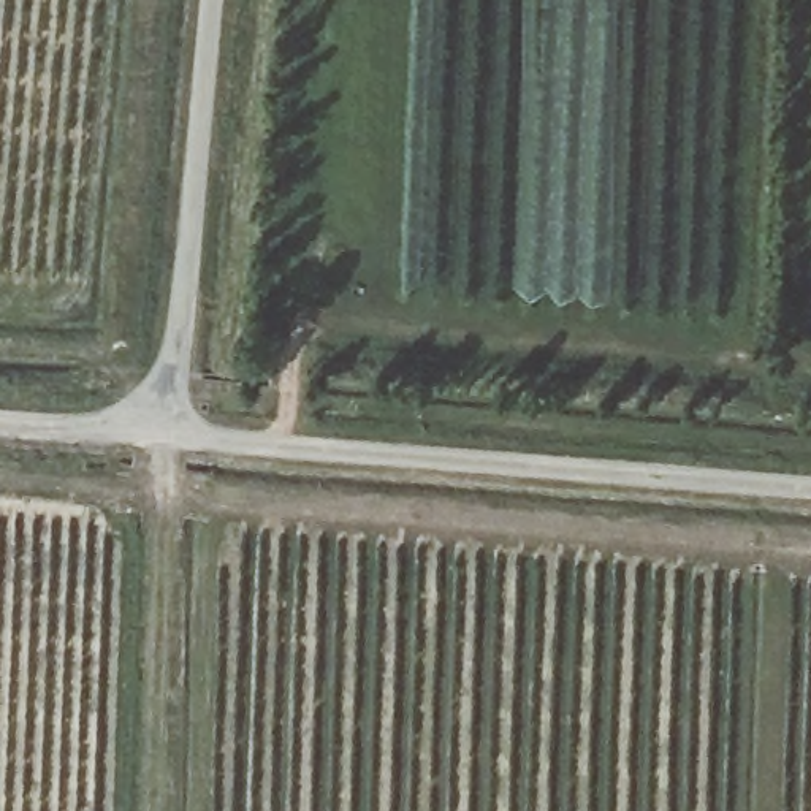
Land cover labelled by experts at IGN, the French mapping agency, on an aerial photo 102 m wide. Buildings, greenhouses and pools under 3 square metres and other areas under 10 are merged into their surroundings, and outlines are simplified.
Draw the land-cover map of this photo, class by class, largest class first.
<instances>
[{"label":"deciduous trees","instance_id":"1","mask_svg":"<svg viewBox=\"0 0 811 811\"><path fill-rule=\"evenodd\" d=\"M200 0H98L92 29L82 171L73 238V269L92 279V272H101V295L95 314L98 339L114 342V352L101 358H79V364H70V374H51L41 383L19 386L0 380V409L44 415L101 412L120 402L130 390H136L158 358L174 279ZM285 364H291L301 371V399L295 418L298 437L811 475V0H222L200 257V304L190 355V402L209 425L266 431L279 415V374Z\"/></svg>","mask_w":811,"mask_h":811},{"label":"vineyard","instance_id":"2","mask_svg":"<svg viewBox=\"0 0 811 811\"><path fill-rule=\"evenodd\" d=\"M98 0H0V266H10L13 285L22 288L63 282L67 288L54 298V307L60 310L86 304L92 279L73 269V238L82 171L92 29ZM152 456L146 447H133L130 466L117 475L114 485H105L101 478H70V494L63 501L0 497V811H811V501L181 450V501L158 513L149 472Z\"/></svg>","mask_w":811,"mask_h":811},{"label":"impervious surface","instance_id":"3","mask_svg":"<svg viewBox=\"0 0 811 811\"><path fill-rule=\"evenodd\" d=\"M222 0H200L174 279L158 358L136 390H130L120 402L101 412L44 415L0 409V437L133 447H146L152 456L149 472L158 513L181 501V450L811 501V475L298 437L295 418L301 399V371L291 364H285L279 374V415L266 431L209 425L190 402V355L200 304V257Z\"/></svg>","mask_w":811,"mask_h":811},{"label":"herbaceous vegetation","instance_id":"4","mask_svg":"<svg viewBox=\"0 0 811 811\"><path fill-rule=\"evenodd\" d=\"M67 288L63 282L22 288L13 285L10 266H0V380L19 386L41 383L51 374H70V364H79V358H101L114 352V342L98 339L95 314L101 295V272H92V279L86 304L60 310L54 307V298ZM133 447L0 437V497L63 501L70 494V478H101L105 485H114L117 475L130 466Z\"/></svg>","mask_w":811,"mask_h":811}]
</instances>
